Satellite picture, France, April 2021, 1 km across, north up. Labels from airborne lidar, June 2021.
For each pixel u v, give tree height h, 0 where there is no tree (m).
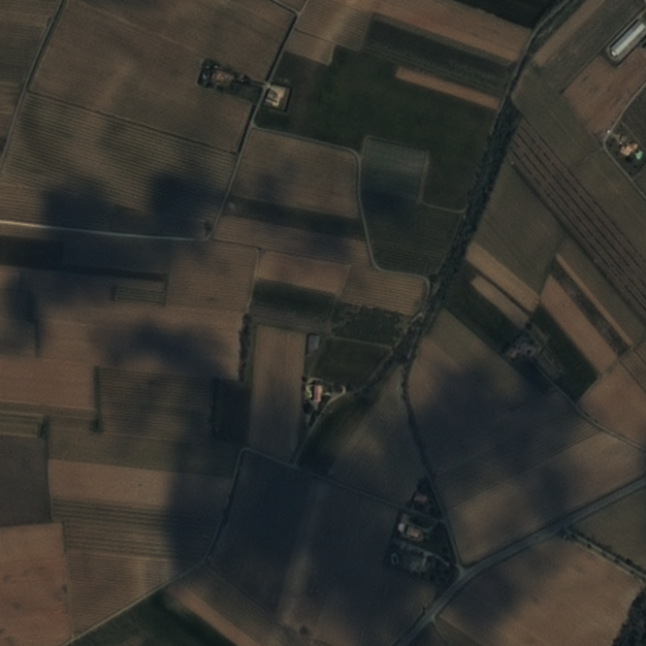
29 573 0
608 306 0
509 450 0
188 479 0
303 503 0
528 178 0
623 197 0
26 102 0
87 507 0
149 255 0
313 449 0
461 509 0
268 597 0
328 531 0
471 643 0
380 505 0
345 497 0
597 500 0
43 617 0
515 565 0
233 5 0
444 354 0
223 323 0
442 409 0
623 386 0
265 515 0
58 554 0
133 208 0
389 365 11
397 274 0
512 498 0
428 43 0
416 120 0
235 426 0
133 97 0
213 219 0
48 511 0
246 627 0
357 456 0
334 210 0
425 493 11
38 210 0
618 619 0
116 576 0
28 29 0
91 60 0
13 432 0
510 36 0
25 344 0
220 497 0
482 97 0
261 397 0
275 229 0
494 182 13
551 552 0
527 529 0
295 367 0
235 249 0
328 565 0
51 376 0
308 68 0
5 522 0
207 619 0
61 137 0
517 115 6
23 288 0
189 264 0
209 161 0
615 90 0
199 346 0
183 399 0
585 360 0
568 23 0
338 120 0
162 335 0
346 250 0
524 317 0
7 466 0
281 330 0
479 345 0
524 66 10
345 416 0
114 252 0
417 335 13
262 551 0
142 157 0
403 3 0
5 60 0
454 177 0
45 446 0
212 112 0
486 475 0
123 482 0
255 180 0
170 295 0
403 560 0
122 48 0
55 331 0
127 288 0
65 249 0
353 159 0
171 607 0
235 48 0
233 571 0
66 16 0
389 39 0
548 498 0
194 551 0
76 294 0
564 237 0
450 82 0
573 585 0
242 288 0
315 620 0
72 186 0
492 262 0
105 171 0
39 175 0
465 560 0
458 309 0
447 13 0
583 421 0
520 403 0
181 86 0
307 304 0
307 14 0
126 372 0
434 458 0
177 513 0
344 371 0
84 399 0
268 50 0
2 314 0
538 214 0
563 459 0
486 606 0
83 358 0
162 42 0
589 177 0
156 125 0
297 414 0
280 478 0
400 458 0
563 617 0
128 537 0
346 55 0
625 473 0
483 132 0
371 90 0
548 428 0
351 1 0
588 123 0
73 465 0
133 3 0
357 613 0
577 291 0
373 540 0
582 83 0
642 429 0
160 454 0
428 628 0
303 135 0
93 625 0
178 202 0
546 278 0
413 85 0
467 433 0
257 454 0
